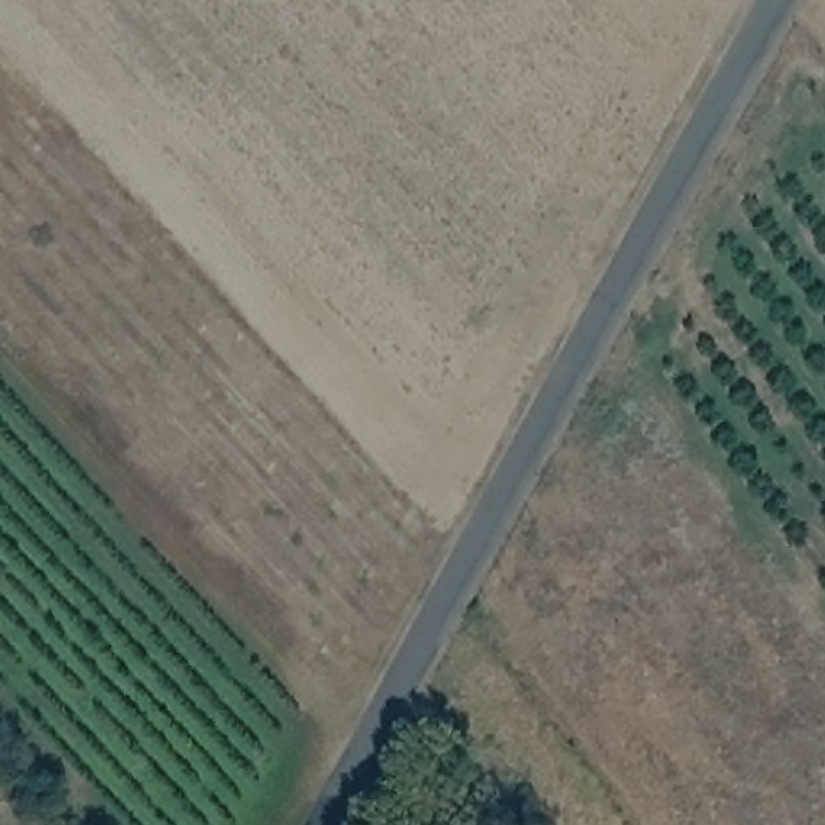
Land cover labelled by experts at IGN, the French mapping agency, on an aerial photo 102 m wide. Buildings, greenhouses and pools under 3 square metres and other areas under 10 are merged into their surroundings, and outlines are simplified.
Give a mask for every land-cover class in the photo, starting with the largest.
<instances>
[{"label":"agricultural land","instance_id":"1","mask_svg":"<svg viewBox=\"0 0 825 825\"><path fill-rule=\"evenodd\" d=\"M754 0H0V812L26 796L19 790V780L64 773L71 806L100 809L110 819H116V825H306L309 812L322 796L325 780L335 773L361 719L377 699V690L390 674L403 641L409 638L422 606L442 580L474 516V506L480 503L500 461L506 458L519 425L529 419L577 319L583 316L603 274L609 271L625 232L632 229L641 203L648 200L657 174L670 161L686 122L703 103L709 84L715 81L725 55L732 52V42L738 39ZM796 19L809 26L825 48V0H799L796 10ZM599 377L590 374L574 393V403L564 413L541 461L535 464V474L529 477L525 493L509 512L503 535L487 554L480 577L471 583L464 596L471 616H458L451 622L425 674L429 686L448 699V709L438 722L451 725L458 735L471 728L467 754L483 767H496L506 783H532L535 796L548 806L554 825H825V641L799 622V609L790 603L783 590H777L773 577L764 570V561L741 545L735 529L728 525L732 503L715 500L699 477H693V471L683 467L680 458L657 454L648 448L641 458H632L628 467L619 474L606 464L599 438L587 442L593 429L580 419L577 409L593 406Z\"/></svg>","mask_w":825,"mask_h":825},{"label":"herbaceous vegetation","instance_id":"2","mask_svg":"<svg viewBox=\"0 0 825 825\"><path fill-rule=\"evenodd\" d=\"M783 174H796L802 187L812 193L815 206L825 213V48L809 26L796 19V10L786 16L770 52L754 71L719 145L709 151L703 174L690 187L677 226L667 232L657 255L645 267L641 287L612 325L590 374L599 377L593 406L577 409L580 419L593 429L587 442L599 438L606 464L619 474L628 467L632 458H641L648 448L657 454L680 458L683 467L693 471V477H699L715 500L732 503L728 525L735 529L741 545L764 561V570L773 577L777 590H783L790 603L799 609V622L825 641V454L822 442H815L806 432L802 419L790 413L783 393L770 387L761 364L751 358L748 345L735 338L732 325L715 313L712 300L725 290L735 296L738 313L757 325L761 338L770 342L773 354L796 374L799 387L825 413V377H819L809 367V361L793 342H786V329L767 316V303L751 293V280L735 271L728 251L719 248V232L741 235V242L754 251V264L777 280L780 293L793 300L796 316L806 325V335L825 345V313L809 303L799 280L790 274V264L773 258L770 242L751 222V216L770 206L780 229L796 238L799 251L815 264L819 277L825 280V251L819 248L812 229L793 213V200L777 190V180ZM703 332H709L719 351L735 361V371L754 383L757 400L767 406L773 419L770 429H751L748 409L738 406L728 387L712 374L709 358L696 345ZM703 396H712V406L735 425L738 438L757 448L761 471L773 477V483L786 493V506L793 509V516L806 522L802 545H793L786 538L783 525L764 509L761 496L751 493L748 477L728 471V451L712 442L709 425L696 413Z\"/></svg>","mask_w":825,"mask_h":825},{"label":"deciduous trees","instance_id":"3","mask_svg":"<svg viewBox=\"0 0 825 825\"><path fill-rule=\"evenodd\" d=\"M777 190L793 200V213L812 229L819 248L825 251V213L815 206L812 193L802 187L796 174H783L777 180ZM751 222L770 242L773 258L790 264V274L799 280L809 303L825 313V280L819 277L815 264L799 251L796 238L780 229L770 206L751 216ZM719 248L728 251L735 271L751 280V293L767 303V316L786 329V342H793L809 361V367L819 377H825V345L806 335V325L796 316L793 300L780 293L777 280L754 264V251L741 242V235L719 232ZM715 313L732 325L735 338L748 345L751 358L761 364L770 387L783 393L790 413L802 419L806 432L815 442H822L825 454V413L799 387L796 374L773 354L770 342L761 338L757 325L738 313L735 296L725 290L712 300ZM696 345L709 358L712 374L728 387L738 406L748 409L751 429H770L773 419L767 406L757 400L754 383L735 371V361L719 351L709 332H703ZM696 413L709 425L712 442L728 451V471L748 477L751 493L761 496L764 509L783 525L786 538L793 545H802L806 522L793 516V509L786 506V493L773 483V477L761 471L757 448L738 438L735 425L712 406V396H703ZM471 728L458 735L451 725L438 722L419 719L393 725V741L380 754L377 793L354 796L348 802V815L342 825H554L548 806L535 796L532 783H506L496 767H483L467 754ZM19 790L26 796L0 812V825H116V819H110L100 809L71 806L64 773L19 780Z\"/></svg>","mask_w":825,"mask_h":825},{"label":"impervious surface","instance_id":"4","mask_svg":"<svg viewBox=\"0 0 825 825\"><path fill-rule=\"evenodd\" d=\"M799 0H754L738 39L732 42V52L725 55L715 81L709 84L703 103L686 122L670 161L657 174L648 200L641 203L632 229L625 232L609 271L603 274L583 316L577 319L529 419L519 425L506 458L500 461L480 503L474 506V516L442 580L422 606L409 638L403 641L390 674L377 690V699L361 719L335 773L325 780L322 796L309 812L306 825H342L348 815V802L354 796L377 793L380 754L393 741V725L419 719L438 722L448 709V699L429 686L425 674L451 622L458 616H471L464 596L471 583L480 577L487 554L503 535L509 512L525 493L529 477L535 474V464L541 461L564 413L574 403V393L590 374L612 325L641 287L645 267L657 255L667 232L677 226L690 187L703 174L709 151L719 145L754 71L770 52L786 16L796 10Z\"/></svg>","mask_w":825,"mask_h":825}]
</instances>
